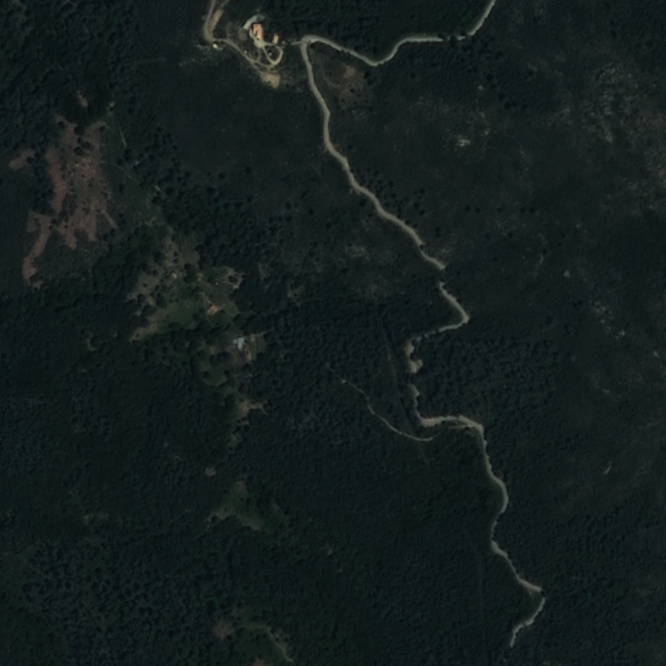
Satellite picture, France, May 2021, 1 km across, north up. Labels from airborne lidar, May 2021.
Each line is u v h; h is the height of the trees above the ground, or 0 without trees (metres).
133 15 18
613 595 18
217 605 17
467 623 15
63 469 14
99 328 17
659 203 0
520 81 7
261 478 17
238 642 8
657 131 0
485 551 13
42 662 13
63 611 14
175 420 15
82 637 17
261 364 17
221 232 10
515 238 11
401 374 8
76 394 23
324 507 12
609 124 0
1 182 16
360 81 0
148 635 20
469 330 7
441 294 15
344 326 18
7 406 10
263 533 10
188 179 17
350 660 13
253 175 23
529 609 16
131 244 11
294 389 15
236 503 0
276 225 6
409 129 0
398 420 18
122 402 11
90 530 21
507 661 15
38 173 16
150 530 17
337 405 11
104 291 14
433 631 15
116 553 14
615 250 6
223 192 10
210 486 14
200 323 9
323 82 0
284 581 18
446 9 6
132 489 12
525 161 0
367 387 10
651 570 8
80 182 0
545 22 15
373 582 12
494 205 0
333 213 7
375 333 9
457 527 10
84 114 16
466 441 12
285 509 11
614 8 19
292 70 0
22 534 12
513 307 6
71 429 17
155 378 15
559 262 5
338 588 18
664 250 6
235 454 19
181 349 14
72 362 17
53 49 17
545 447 8
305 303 9
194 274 15
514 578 10
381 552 16
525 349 16
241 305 14
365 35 13
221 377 0
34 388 15
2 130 22
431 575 7
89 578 8
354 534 13
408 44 6
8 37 9
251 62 0
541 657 7
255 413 17
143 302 13
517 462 6
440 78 5
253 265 13
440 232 15
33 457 7
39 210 11
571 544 17
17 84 16
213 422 17
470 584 13
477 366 20
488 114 0
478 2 9
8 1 19
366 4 22
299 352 21
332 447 16
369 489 11
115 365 14
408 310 9
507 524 13
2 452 17
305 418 22
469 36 22
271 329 22
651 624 13
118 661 13
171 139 16
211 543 16
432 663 15
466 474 11
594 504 6
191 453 22
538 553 13
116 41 19
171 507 13
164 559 14
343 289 12
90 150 20
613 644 13
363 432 9
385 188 15
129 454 14
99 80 16
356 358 18
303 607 18
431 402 15
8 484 13
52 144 22
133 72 19
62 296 23
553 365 17
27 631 21
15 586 12
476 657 13
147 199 0
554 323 16
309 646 23
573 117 0
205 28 0
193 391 22
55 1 16
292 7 10
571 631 9
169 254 0
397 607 19
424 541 15
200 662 14
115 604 19
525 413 11
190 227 7
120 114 6
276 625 15
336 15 8
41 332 11
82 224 0
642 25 7
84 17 22
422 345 15
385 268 7
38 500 13
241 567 15
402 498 9
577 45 0
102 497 13
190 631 18
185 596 17
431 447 7
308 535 12
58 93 16
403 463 11
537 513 13
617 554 12
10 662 6
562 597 7
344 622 22
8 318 20
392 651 17
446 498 12
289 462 10
